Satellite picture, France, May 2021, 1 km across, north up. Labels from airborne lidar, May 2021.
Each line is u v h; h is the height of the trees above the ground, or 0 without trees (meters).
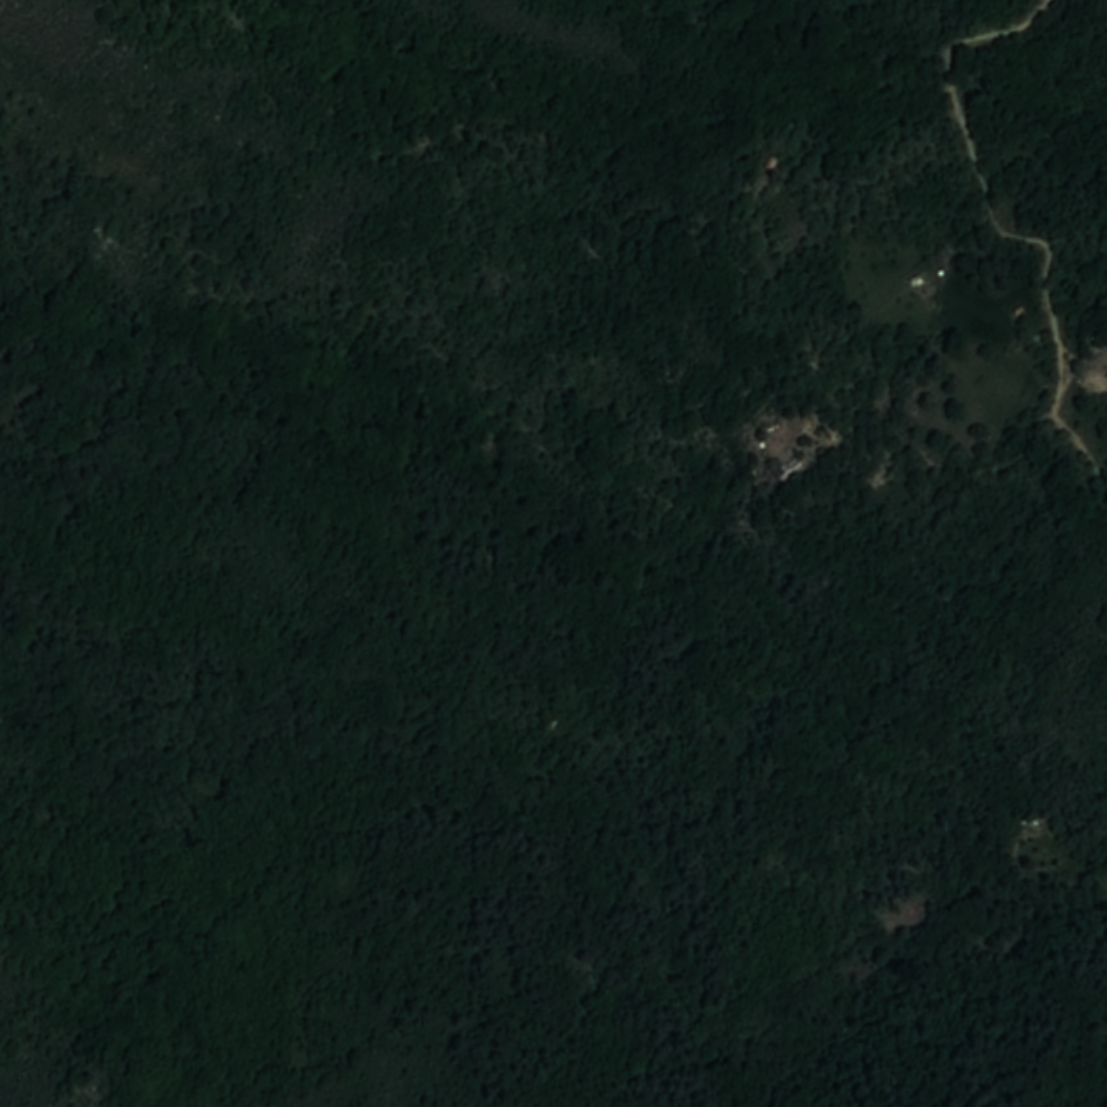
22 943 16
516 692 18
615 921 28
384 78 33
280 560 6
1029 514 7
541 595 17
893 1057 19
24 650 31
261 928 17
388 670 18
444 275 14
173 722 21
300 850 7
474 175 24
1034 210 11
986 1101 25
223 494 10
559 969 15
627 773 18
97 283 14
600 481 21
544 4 11
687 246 13
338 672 24
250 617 7
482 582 25
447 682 14
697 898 28
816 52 31
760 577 23
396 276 19
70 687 39
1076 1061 12
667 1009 36
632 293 6
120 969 19
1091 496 23
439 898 11
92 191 16
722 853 6
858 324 22
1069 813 12
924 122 13
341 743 22
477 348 12
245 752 17
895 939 22
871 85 15
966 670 8
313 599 12
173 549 8
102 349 18
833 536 7
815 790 8
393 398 22
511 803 19
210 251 16
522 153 14
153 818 24
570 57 8
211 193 14
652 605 10
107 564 18
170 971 20
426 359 13
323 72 19
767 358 11
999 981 20
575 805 25
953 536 11
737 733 6
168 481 16
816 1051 8
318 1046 14
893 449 13
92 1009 21
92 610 19
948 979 14
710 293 10
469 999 7
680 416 7
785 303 12
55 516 20
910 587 7
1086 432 0
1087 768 9
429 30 13
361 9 23
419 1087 5
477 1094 8
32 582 20
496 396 20
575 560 28
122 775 25
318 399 24
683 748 13
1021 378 0
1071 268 10
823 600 7
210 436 29
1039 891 16
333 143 10
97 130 9
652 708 10
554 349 12
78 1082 9
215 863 24
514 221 11
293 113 12
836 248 19
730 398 17
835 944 15
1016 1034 17
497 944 11
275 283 10
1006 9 13
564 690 15
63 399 23
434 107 22
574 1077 12
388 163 17
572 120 24
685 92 18
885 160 10
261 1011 17
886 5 16
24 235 24
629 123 28
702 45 18
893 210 16
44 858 21
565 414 10
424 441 31
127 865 20
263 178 15
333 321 11
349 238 13
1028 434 8
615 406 13
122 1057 7
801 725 20
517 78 23
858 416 14
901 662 10
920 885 18
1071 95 23
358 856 8
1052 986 16
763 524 16
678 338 9
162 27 17
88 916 13
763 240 13
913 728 29
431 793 11
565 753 8
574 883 12
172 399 24
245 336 25
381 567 15
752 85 24
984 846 20
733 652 14
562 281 7
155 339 19
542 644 16
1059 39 14
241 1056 15
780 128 12
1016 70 24
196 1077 18
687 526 13
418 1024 13
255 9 27
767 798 12
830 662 16
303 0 26
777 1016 27
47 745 14
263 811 18
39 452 11
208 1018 18
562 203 14
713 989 22
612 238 19
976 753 14
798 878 21
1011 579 10
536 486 21
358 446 25
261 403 11
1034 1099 17
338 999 6
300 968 15
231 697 24
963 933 26
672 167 24
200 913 25
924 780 18
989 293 8
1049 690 7
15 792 11
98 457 24
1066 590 14
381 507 15
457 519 19
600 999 22
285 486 16
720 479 16
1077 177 27
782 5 32
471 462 30
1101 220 15
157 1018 21
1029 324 9
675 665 16
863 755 17
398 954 13
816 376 17
